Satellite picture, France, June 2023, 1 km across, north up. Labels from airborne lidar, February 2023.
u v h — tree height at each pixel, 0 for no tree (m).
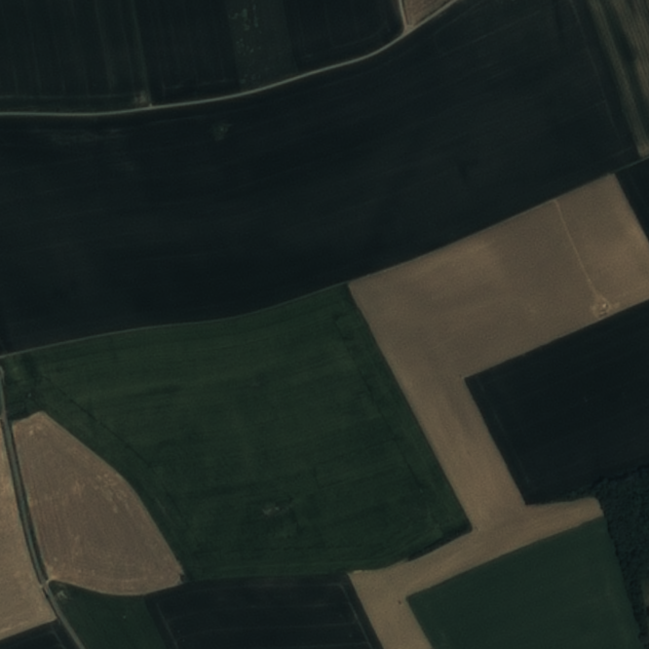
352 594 0
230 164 0
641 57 0
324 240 0
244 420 0
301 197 0
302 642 0
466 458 0
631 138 0
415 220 0
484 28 0
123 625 0
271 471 0
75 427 0
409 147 0
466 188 0
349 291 0
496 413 0
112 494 0
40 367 0
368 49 0
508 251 0
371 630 0
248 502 0
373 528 0
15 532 0
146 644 0
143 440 0
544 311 0
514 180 0
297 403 0
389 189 0
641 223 0
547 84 0
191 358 0
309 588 0
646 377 0
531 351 0
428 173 0
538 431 0
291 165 0
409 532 0
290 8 0
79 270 0
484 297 0
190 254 0
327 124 0
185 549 0
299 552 0
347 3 0
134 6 0
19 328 0
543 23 0
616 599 0
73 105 0
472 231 0
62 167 0
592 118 0
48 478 0
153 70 0
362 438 0
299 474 0
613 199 0
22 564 0
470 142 0
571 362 0
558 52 0
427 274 0
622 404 0
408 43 0
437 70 0
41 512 0
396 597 0
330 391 0
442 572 0
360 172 0
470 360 0
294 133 0
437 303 0
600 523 0
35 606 0
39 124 0
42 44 0
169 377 0
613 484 20
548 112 0
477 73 0
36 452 0
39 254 0
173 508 0
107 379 0
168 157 0
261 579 0
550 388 0
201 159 0
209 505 0
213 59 0
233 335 0
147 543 0
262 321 0
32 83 0
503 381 0
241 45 0
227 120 0
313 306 0
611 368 0
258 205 0
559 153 0
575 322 0
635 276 0
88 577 0
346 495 0
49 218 0
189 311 0
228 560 0
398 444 0
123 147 0
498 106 0
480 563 0
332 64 0
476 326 0
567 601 0
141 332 0
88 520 0
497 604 0
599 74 0
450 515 0
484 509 0
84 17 0
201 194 0
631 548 22
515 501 0
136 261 0
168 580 0
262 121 0
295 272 0
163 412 0
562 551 0
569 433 0
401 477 0
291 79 0
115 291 0
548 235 0
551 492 0
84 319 0
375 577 0
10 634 0
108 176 0
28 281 0
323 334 0
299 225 0
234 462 0
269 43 0
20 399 0
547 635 0
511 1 0
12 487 0
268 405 0
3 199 0
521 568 0
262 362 0
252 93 0
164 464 0
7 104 0
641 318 0
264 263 0
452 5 0
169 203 0
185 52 0
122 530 0
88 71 0
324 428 0
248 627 0
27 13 0
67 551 0
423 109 0
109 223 0
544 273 0
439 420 0
